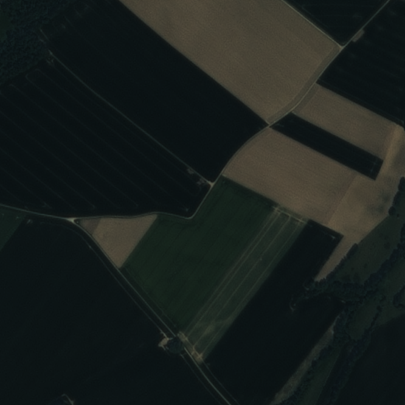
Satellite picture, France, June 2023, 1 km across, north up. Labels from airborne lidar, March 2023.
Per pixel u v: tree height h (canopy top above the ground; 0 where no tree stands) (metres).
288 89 0
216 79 0
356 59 0
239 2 0
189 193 0
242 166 0
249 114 0
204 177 0
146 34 0
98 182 0
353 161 0
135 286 0
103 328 0
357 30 0
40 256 0
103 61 0
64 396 0
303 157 0
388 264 17
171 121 0
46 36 0
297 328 0
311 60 0
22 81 0
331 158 0
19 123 0
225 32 0
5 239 0
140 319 0
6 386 0
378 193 0
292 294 0
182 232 0
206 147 0
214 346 0
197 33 0
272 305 0
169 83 0
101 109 0
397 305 10
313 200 0
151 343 0
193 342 0
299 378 0
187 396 0
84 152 0
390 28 0
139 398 0
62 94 0
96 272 0
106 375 0
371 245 0
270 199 0
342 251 0
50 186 0
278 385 0
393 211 14
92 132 0
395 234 0
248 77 0
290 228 0
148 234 0
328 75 0
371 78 0
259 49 0
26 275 0
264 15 0
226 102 0
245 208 0
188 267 0
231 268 0
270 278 0
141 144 0
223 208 0
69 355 0
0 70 15
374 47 0
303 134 0
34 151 0
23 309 0
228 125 0
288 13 0
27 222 0
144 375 0
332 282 16
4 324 0
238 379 0
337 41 0
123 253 0
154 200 0
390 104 0
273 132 0
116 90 0
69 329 0
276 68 0
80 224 0
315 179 0
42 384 0
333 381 0
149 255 0
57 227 0
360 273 0
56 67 0
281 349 0
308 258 0
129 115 0
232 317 0
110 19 0
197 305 0
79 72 0
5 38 0
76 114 0
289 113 0
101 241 0
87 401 0
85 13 0
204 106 0
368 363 0
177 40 0
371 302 0
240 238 0
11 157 0
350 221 0
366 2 0
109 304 0
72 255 0
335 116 0
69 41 0
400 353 0
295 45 0
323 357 16
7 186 0
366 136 0
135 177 0
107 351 0
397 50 0
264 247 0
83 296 0
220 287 0
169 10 0
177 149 0
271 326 0
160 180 0
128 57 0
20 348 0
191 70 0
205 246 0
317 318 0
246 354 0
